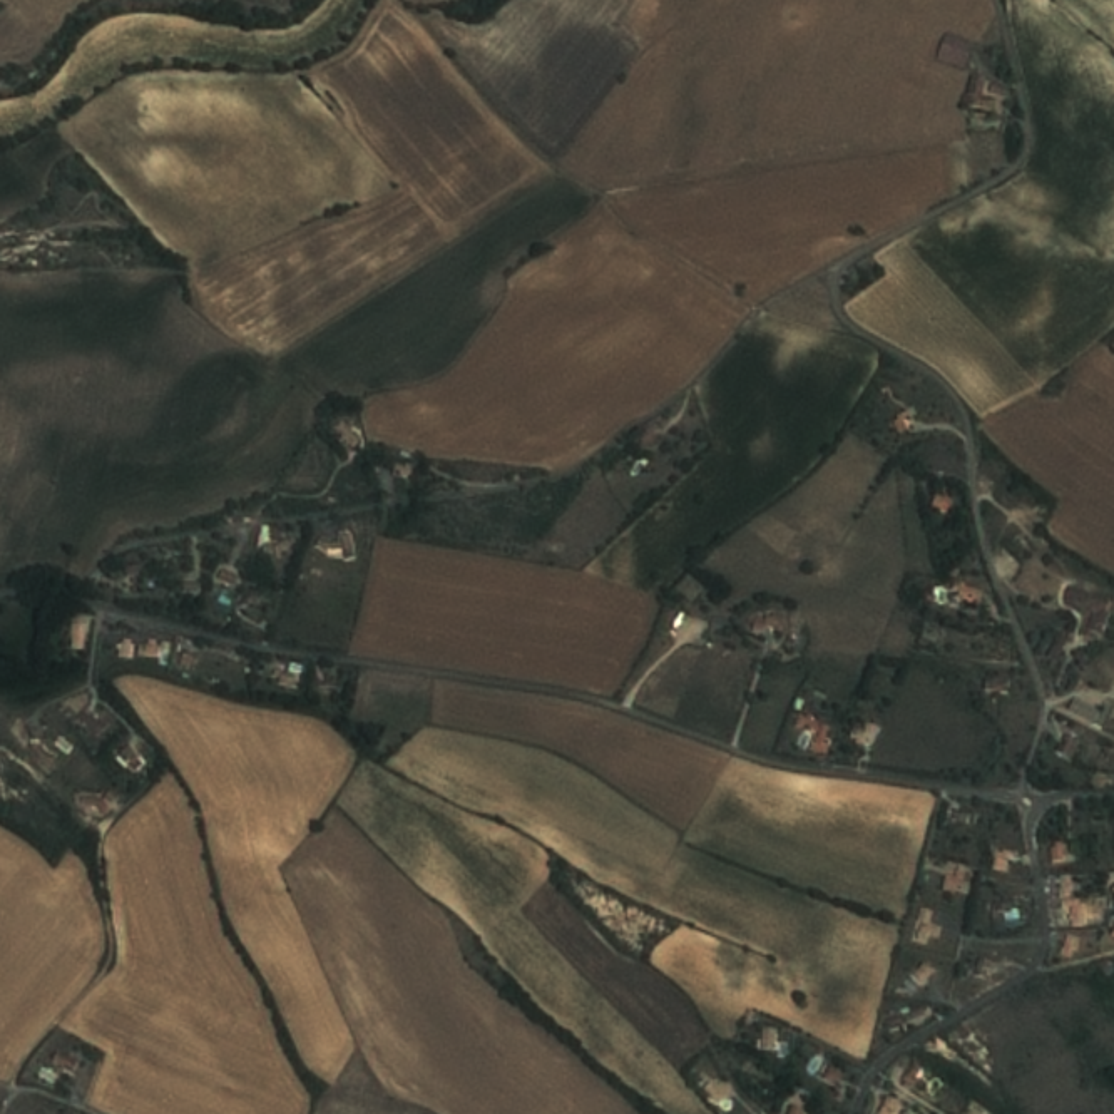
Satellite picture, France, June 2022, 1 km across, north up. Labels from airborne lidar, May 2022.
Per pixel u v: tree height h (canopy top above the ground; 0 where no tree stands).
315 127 0
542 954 0
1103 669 0
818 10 0
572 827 0
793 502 0
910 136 0
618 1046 0
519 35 0
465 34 0
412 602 0
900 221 0
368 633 0
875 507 0
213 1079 0
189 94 0
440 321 0
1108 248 0
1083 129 0
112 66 0
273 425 0
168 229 0
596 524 0
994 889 15
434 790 0
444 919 0
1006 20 0
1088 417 0
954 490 8
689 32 0
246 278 0
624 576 0
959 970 9
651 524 0
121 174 0
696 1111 0
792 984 0
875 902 0
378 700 0
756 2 0
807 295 0
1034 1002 0
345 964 0
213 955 0
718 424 0
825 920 0
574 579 0
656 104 0
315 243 0
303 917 0
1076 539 0
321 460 0
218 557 6
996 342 0
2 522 0
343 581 0
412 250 0
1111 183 0
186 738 0
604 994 0
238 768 0
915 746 0
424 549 0
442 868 0
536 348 0
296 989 0
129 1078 0
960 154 0
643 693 0
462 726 0
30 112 0
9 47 0
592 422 0
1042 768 9
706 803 0
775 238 0
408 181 0
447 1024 0
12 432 0
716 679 0
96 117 0
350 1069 0
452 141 0
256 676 7
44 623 15
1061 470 0
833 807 0
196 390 0
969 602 7
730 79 0
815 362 0
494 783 0
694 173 0
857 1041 0
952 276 0
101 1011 0
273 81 0
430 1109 0
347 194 0
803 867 0
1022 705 0
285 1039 8
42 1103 0
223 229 0
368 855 0
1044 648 8
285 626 0
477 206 0
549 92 0
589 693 0
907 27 0
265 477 0
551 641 0
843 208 0
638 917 0
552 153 0
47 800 6
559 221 0
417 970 0
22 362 0
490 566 0
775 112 0
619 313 0
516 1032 0
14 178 0
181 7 9
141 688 0
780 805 0
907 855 0
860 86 0
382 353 0
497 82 0
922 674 0
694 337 0
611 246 0
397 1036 0
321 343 0
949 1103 0
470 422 0
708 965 0
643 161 0
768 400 0
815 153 0
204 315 0
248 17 9
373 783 0
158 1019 0
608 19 0
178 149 0
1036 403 0
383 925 0
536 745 0
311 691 9
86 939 0
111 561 14
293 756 0
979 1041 0
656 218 0
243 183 0
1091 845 9
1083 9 0
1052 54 0
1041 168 0
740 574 0
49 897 0
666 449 13
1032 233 0
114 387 0
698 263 0
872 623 0
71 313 0
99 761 6
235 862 0
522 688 0
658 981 0
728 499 0
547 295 0
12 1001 0
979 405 0
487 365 0
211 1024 0
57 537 0
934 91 0
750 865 0
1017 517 0
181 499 0
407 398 0
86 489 0
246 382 0
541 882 0
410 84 0
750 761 0
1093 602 0
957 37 0
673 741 0
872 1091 0
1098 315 0
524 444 0
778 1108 8
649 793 0
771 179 0
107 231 8
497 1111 0
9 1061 0
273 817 0
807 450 0
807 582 0
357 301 0
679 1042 0
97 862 7
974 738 0
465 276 0
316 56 11
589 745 0
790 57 0
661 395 0
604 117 0
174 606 10
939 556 6
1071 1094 0
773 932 0
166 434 0
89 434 0
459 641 0
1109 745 8
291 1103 0
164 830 0
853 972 0
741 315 0
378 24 0
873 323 0
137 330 0
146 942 0
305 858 0
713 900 0
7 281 0
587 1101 0
